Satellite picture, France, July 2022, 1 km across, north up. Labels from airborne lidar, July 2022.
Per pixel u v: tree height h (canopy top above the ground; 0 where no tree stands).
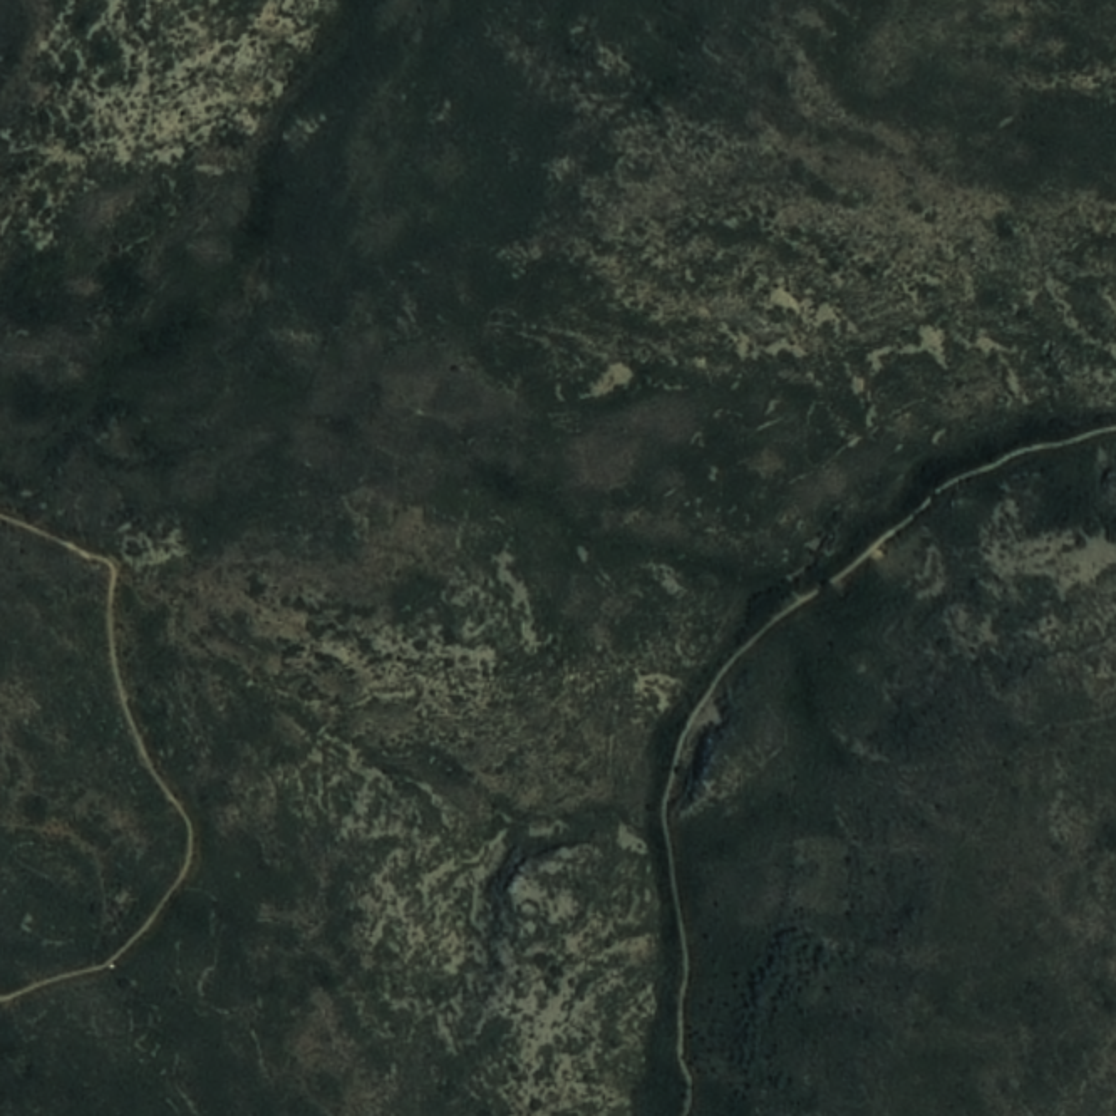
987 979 0
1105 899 0
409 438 0
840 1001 0
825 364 0
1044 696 0
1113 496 0
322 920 0
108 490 0
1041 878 0
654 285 0
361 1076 0
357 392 0
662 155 0
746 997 11
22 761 0
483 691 0
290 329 0
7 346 0
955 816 0
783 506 0
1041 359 9
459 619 0
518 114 0
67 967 0
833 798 0
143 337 6
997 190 0
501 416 0
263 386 0
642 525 0
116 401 7
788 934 14
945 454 6
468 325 0
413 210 0
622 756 0
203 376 0
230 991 0
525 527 0
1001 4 0
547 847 6
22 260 6
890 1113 0
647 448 0
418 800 0
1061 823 0
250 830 0
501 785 0
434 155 0
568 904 0
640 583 0
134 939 0
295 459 0
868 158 0
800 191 0
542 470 0
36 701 0
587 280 0
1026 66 0
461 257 0
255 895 0
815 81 0
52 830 0
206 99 0
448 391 0
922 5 0
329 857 0
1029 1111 0
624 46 0
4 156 0
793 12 0
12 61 6
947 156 0
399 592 0
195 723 0
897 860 0
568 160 0
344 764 0
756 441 0
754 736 0
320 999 0
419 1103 0
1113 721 0
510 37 0
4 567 0
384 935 0
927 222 0
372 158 0
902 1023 0
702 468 0
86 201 0
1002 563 0
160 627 0
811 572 15
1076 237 0
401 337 0
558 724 0
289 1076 0
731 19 0
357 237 0
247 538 0
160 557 0
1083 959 0
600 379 0
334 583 0
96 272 6
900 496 7
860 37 0
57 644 0
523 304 0
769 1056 8
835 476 0
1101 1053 0
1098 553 0
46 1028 0
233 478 0
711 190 0
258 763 0
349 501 0
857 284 0
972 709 0
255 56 0
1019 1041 0
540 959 6
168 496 0
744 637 9
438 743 0
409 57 0
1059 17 0
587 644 0
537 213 0
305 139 0
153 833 0
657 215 0
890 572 0
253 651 0
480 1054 0
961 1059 0
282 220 0
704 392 0
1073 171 0
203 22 0
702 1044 7
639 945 0
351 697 0
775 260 0
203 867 0
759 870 0
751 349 0
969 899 0
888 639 0
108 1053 0
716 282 0
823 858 0
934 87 0
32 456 0
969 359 0
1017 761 0
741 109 0
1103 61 0
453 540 0
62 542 0
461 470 0
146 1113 0
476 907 0
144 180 0
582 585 0
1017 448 8
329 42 0
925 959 0
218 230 0
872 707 0
